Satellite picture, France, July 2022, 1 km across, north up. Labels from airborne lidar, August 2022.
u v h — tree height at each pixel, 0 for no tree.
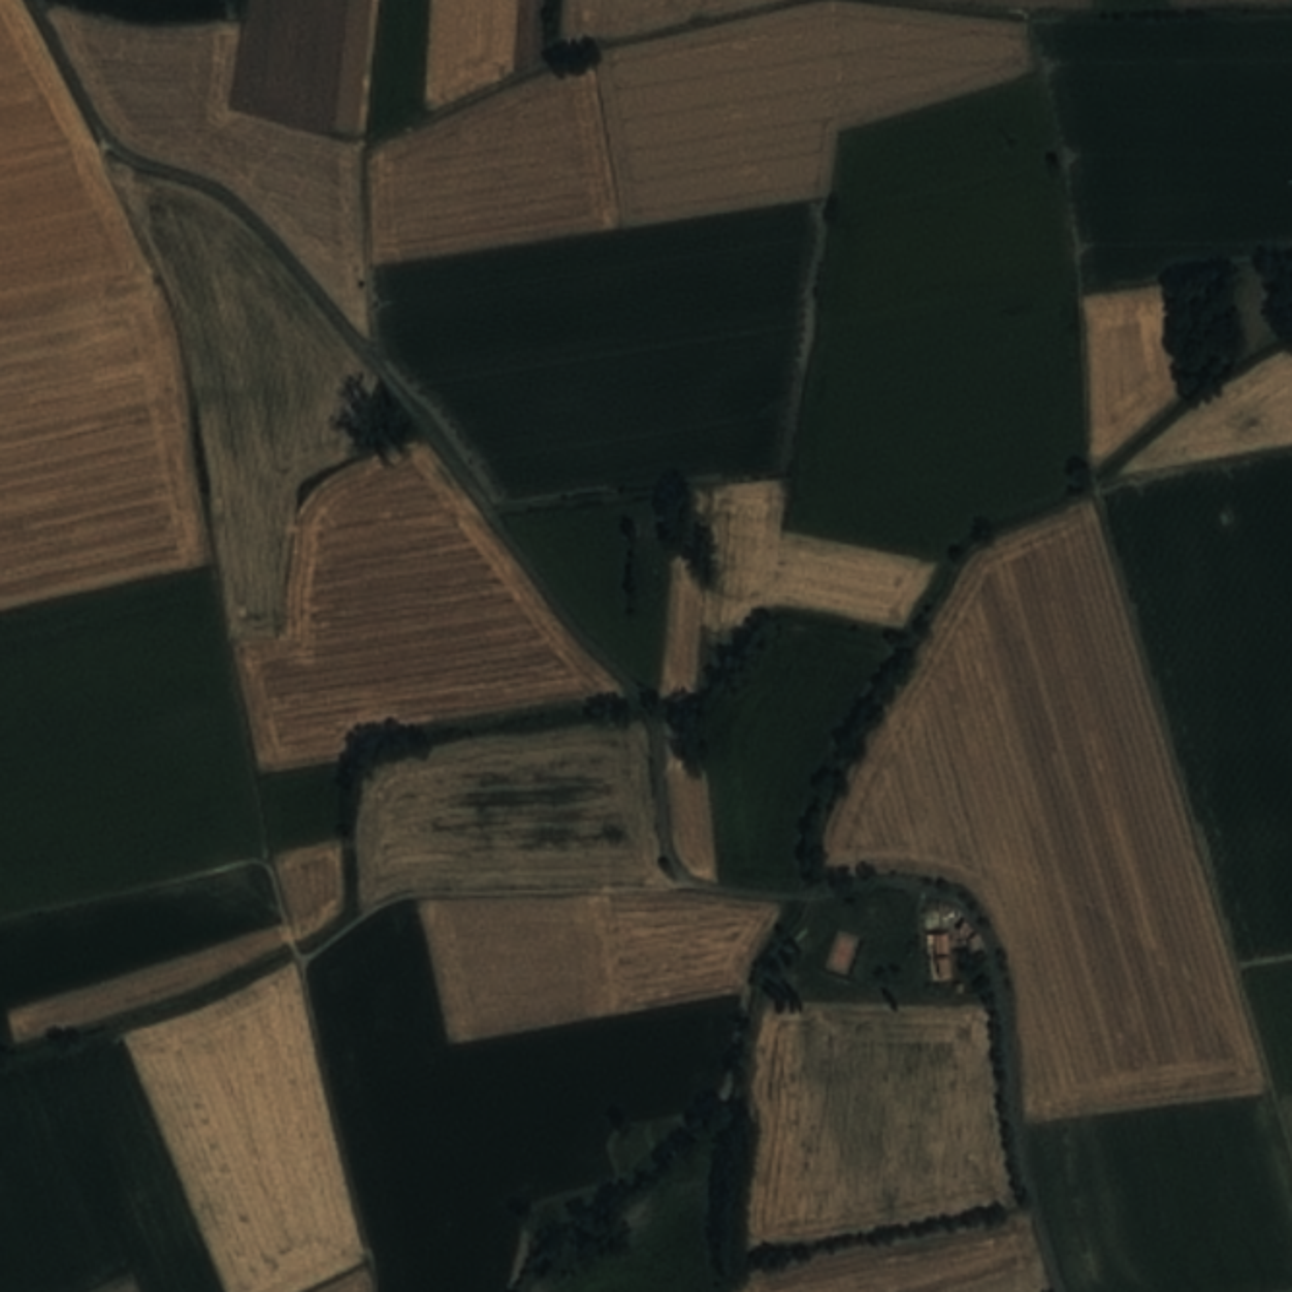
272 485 0
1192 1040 0
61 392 0
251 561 0
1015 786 0
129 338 0
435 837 0
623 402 0
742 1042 10
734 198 0
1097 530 0
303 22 0
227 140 0
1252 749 0
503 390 0
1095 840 0
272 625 0
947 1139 0
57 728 0
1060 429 0
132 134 0
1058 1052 0
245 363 0
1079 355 0
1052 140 0
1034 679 0
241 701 0
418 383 0
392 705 0
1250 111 0
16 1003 0
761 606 0
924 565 0
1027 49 0
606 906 0
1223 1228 0
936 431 0
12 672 0
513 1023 0
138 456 0
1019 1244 0
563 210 0
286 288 0
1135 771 0
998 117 0
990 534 17
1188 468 0
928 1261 0
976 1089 0
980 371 0
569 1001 0
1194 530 0
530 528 0
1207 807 0
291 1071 0
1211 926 0
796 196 0
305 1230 0
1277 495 0
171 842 0
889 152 0
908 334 0
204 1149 0
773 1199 0
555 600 0
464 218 0
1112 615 0
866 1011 0
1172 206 0
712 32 0
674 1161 22
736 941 0
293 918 0
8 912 0
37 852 0
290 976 0
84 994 0
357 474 0
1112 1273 0
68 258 0
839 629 0
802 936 0
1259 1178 0
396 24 0
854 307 0
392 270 0
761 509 0
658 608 0
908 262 0
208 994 0
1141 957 0
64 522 0
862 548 0
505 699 0
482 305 0
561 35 0
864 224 0
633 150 0
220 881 0
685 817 0
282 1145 0
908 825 0
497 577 0
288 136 0
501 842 0
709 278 0
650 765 0
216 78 0
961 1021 0
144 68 0
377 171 0
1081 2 0
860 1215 0
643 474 0
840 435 0
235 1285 0
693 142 0
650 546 0
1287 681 0
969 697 0
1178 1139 0
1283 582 0
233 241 0
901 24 0
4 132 0
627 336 0
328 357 0
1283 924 0
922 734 0
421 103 0
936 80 0
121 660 0
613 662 0
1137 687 0
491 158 0
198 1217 0
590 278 0
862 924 0
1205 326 32
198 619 0
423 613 0
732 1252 31
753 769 0
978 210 0
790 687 0
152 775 0
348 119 0
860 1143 0
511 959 0
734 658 17
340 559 0
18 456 0
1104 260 0
